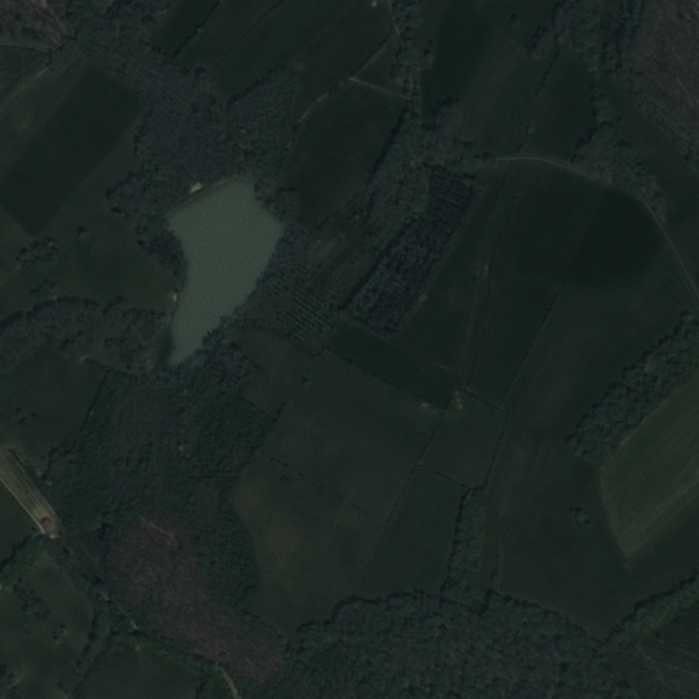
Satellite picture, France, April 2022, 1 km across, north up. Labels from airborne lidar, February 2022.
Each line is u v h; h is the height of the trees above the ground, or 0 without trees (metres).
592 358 0
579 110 0
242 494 0
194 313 0
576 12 21
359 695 13
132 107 0
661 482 0
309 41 0
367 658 23
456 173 15
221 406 6
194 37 6
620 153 24
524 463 0
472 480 0
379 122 0
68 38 29
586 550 0
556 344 0
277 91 17
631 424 6
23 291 0
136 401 14
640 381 11
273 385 0
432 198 21
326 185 0
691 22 31
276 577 0
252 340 0
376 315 19
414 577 0
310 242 23
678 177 0
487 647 30
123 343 9
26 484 0
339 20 0
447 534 0
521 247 0
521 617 26
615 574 0
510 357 0
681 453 0
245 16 0
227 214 0
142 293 0
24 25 30
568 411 0
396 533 0
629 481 0
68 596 0
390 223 25
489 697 27
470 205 20
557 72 0
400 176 21
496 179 0
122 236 0
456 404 0
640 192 24
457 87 0
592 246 0
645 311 0
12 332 25
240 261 0
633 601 0
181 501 13
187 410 9
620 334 0
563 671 29
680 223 0
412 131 23
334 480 0
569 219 0
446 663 26
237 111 20
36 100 0
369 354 0
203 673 9
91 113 0
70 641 0
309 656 16
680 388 0
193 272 0
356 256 0
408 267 24
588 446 15
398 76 8
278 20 0
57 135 0
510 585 0
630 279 0
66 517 6
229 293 0
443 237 22
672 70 16
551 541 0
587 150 24
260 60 0
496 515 0
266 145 13
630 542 0
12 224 0
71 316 25
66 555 20
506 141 0
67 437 0
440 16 0
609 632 0
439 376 0
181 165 26
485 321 0
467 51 0
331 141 0
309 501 0
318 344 0
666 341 7
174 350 0
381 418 0
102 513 12
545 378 0
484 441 0
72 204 0
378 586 0
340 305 0
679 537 0
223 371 17
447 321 0
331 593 0
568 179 0
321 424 0
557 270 0
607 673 25
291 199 18
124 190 17
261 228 0
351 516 0
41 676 0
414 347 0
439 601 18
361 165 0
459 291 0
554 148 0
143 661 0
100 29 31
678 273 0
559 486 0
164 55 11
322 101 0
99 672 0
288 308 0
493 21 0
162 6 22
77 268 0
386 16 0
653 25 32
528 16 0
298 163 0
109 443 12
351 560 0
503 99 0
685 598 19
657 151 0
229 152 20
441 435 0
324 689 12
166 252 29
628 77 26
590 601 0
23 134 0
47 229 0
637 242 0
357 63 0
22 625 0
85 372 0
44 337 21
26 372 0
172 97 25
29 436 0
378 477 0
